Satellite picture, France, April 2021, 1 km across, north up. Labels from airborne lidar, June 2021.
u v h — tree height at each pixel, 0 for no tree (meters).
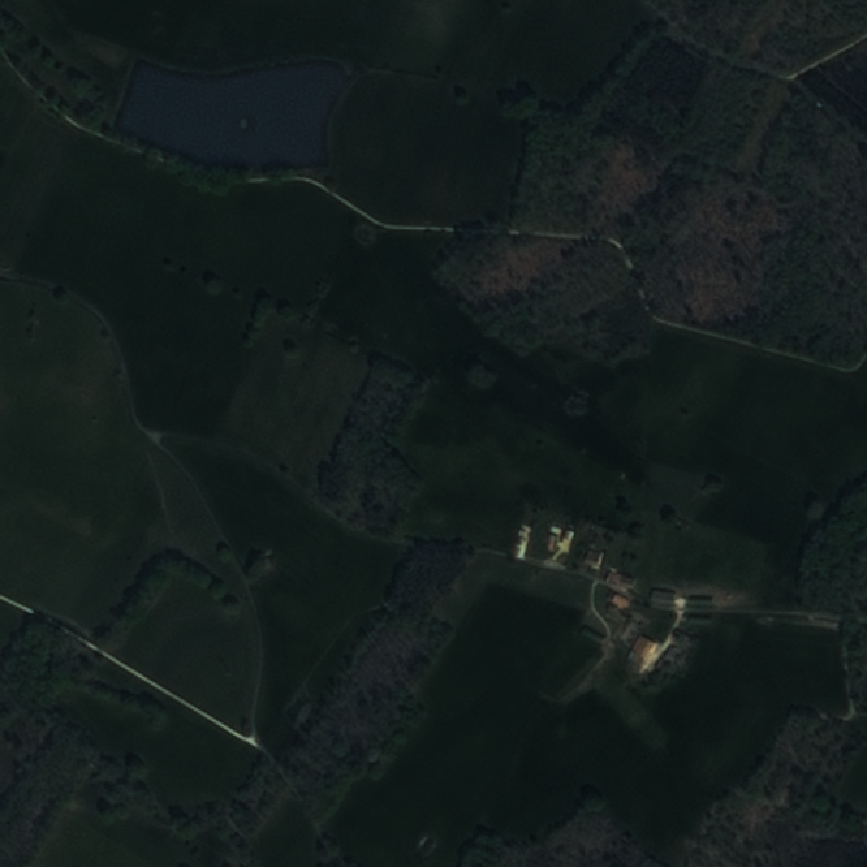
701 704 0
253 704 0
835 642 0
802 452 0
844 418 0
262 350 0
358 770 24
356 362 0
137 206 0
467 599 0
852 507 18
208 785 0
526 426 0
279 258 0
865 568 17
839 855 8
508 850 14
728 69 14
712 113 9
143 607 21
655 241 9
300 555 0
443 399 0
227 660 0
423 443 0
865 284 13
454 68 0
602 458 0
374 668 13
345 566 0
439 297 0
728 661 0
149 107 0
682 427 0
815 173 18
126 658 0
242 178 20
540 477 0
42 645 21
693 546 0
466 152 0
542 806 0
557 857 9
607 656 0
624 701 0
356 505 13
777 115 8
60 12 0
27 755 18
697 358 0
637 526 7
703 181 14
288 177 14
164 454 0
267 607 0
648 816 0
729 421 0
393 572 0
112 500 0
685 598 0
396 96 0
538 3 0
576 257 13
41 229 0
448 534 0
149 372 0
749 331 13
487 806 0
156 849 0
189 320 0
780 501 0
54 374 0
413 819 0
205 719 0
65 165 0
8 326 0
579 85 0
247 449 0
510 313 21
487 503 0
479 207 0
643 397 0
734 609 0
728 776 0
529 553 0
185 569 17
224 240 0
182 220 0
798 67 13
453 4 0
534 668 0
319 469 0
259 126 0
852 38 7
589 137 19
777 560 0
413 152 0
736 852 18
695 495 0
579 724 0
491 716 0
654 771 0
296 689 0
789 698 0
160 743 0
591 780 0
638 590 0
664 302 11
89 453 0
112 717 0
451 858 0
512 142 0
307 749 21
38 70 0
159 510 0
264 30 0
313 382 0
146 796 21
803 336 13
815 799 20
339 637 0
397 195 0
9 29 17
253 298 0
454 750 0
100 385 0
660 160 14
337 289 0
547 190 12
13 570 0
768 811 8
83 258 0
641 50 17
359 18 0
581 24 0
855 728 0
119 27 0
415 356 0
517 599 0
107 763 13
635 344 13
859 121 9
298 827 0
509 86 0
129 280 0
